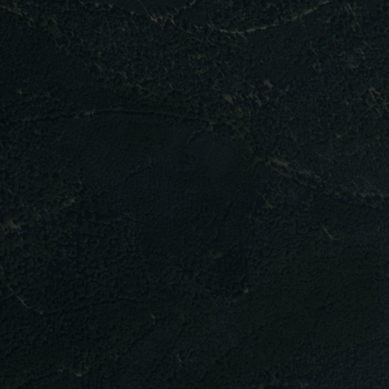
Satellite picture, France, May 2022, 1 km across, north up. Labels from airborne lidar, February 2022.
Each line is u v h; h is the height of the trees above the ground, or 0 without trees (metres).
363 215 20
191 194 20
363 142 30
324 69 6
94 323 30
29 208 12
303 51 10
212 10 8
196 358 28
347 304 20
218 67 9
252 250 26
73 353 21
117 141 18
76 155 15
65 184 22
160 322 21
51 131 13
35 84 14
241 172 21
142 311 22
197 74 9
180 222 16
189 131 22
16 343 26
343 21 7
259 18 7
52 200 25
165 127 20
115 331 25
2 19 16
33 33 12
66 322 27
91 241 27
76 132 18
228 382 25
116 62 26
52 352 29
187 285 32
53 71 15
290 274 23
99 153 19
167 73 29
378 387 27
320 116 30
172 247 14
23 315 30
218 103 20
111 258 34
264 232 26
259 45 11
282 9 35
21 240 36
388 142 31
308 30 12
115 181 21
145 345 30
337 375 33
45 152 13
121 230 25
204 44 9
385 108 0
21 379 28
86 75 16
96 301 24
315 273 23
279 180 11
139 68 19
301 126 28
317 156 27
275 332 22
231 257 19
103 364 25
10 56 16
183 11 12
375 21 30
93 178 21
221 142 14
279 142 27
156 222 13
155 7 12
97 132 18
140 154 18
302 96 25
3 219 31
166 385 29
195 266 14
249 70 11
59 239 33
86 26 25
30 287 31
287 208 26
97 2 10
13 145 34
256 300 19
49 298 28
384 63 31
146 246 11
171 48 30
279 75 12
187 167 32
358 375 26
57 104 13
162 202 20
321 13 10
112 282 30
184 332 26
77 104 14
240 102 20
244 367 27
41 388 20
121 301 21
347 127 30
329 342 20
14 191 31
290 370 24
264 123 30
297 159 31
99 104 16
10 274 30
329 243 25
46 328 28
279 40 9
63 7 28
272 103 23
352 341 17
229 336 24
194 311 27
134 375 23
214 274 16
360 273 20
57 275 31
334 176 33
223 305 24
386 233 29
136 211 19
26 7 35
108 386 27
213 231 11
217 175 18
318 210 23
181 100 29
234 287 14
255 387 20
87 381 29
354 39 27
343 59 9
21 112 14
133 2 12
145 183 18
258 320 21
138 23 28
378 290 29
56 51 13
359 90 25
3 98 13
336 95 31
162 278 31
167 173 19
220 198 18
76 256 25
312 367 18
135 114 15
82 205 13
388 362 30
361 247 16
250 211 17
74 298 30
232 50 9
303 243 24
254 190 16
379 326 23
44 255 28
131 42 29
